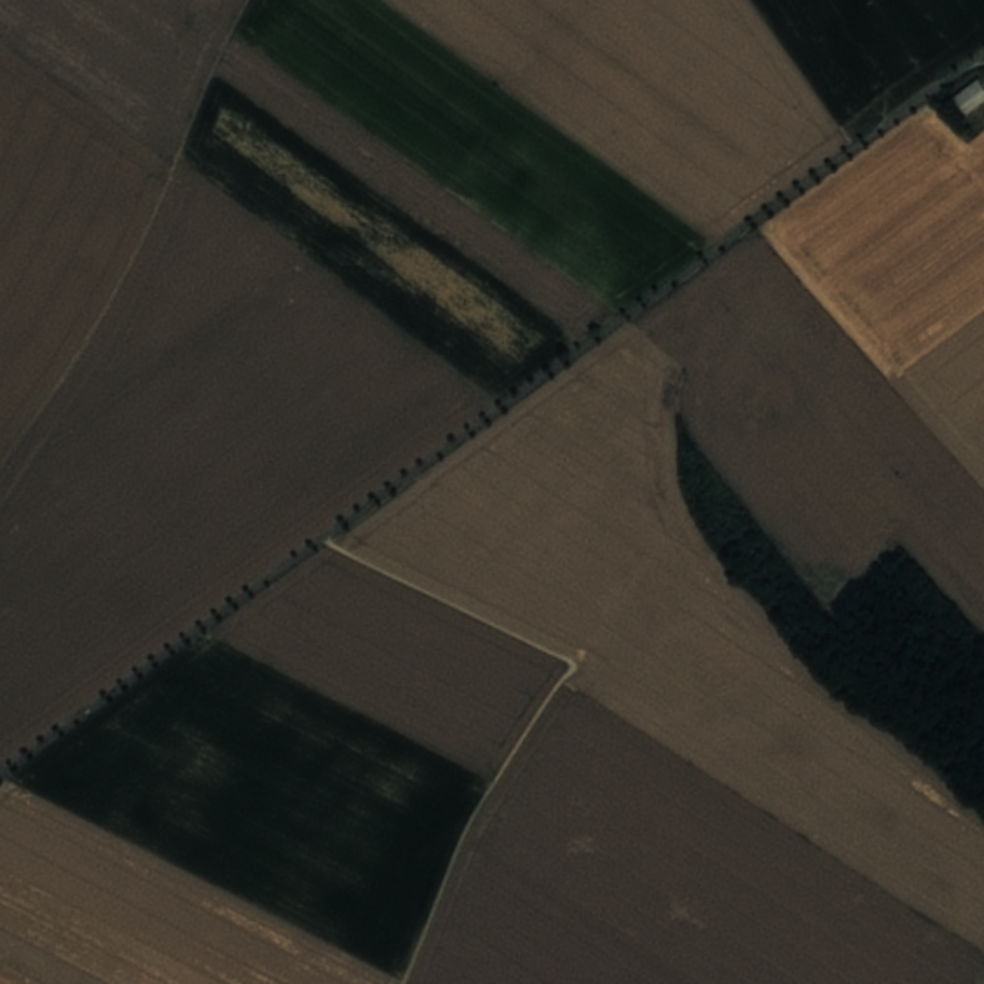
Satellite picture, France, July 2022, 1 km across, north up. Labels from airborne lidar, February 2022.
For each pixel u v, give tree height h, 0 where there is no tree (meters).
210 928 0
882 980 0
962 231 0
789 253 0
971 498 0
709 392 0
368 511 0
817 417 0
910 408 0
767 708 0
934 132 0
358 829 0
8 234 0
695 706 0
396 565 0
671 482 0
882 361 0
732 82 0
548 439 0
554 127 0
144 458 0
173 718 0
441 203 0
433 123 0
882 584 18
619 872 0
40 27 0
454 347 0
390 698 0
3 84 0
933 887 0
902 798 0
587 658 0
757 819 0
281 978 0
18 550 0
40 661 0
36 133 0
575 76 0
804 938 0
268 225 0
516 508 0
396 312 0
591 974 0
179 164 0
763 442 0
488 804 0
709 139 0
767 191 0
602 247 0
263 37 0
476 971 0
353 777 0
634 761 0
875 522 0
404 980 0
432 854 0
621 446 0
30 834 0
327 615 0
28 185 0
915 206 0
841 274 0
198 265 0
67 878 0
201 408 0
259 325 0
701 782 0
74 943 0
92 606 0
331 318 0
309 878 0
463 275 0
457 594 0
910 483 0
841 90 0
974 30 0
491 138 0
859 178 0
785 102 0
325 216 0
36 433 0
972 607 0
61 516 0
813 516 0
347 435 0
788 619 14
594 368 0
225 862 0
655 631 0
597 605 0
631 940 0
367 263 0
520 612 0
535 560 0
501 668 0
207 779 0
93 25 0
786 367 0
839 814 0
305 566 0
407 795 0
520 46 0
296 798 0
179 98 0
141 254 0
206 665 0
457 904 0
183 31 0
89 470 0
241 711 0
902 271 0
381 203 0
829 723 0
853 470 0
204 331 0
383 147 0
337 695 0
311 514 0
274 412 0
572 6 0
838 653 21
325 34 0
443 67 0
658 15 0
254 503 0
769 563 13
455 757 0
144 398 0
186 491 0
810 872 0
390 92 0
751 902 0
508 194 0
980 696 22
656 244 0
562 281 0
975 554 0
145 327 0
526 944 0
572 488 0
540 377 0
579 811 0
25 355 0
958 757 15
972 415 0
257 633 0
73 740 0
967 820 0
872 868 0
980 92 0
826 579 0
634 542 0
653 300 0
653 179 0
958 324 0
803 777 0
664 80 0
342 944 0
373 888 0
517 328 0
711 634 0
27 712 0
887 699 23
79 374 0
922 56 0
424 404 0
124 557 0
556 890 0
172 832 0
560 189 0
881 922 0
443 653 0
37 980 0
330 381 0
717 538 8
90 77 0
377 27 0
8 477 0
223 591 0
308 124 0
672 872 0
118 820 0
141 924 0
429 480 0
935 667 26
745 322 0
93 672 0
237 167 0
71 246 0
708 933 0
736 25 0
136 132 0
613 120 0
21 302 0
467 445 0
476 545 0
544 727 0
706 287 0
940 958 0
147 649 0
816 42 0
